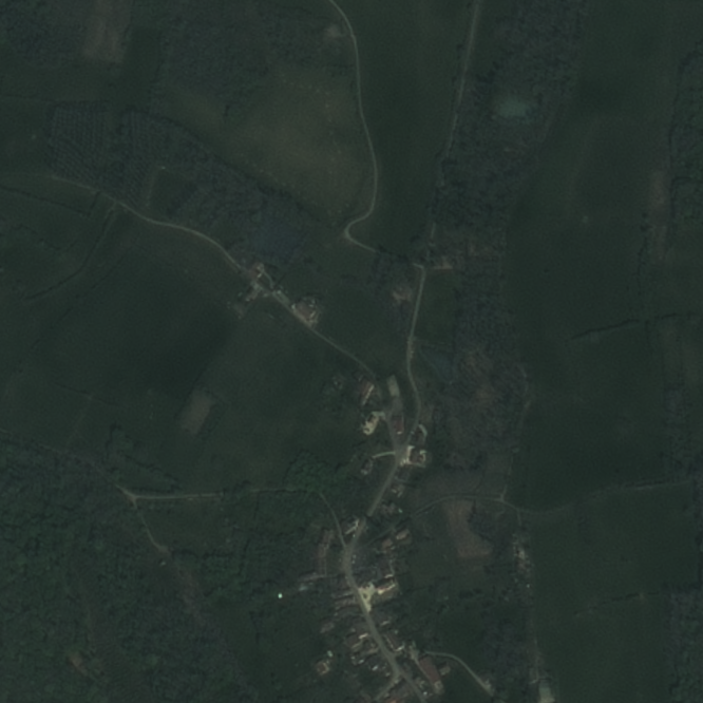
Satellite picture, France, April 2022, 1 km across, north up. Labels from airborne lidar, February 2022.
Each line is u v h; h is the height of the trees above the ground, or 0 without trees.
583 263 0
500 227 11
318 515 10
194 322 0
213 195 10
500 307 28
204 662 30
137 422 0
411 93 0
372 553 0
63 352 0
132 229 0
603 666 0
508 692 16
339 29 0
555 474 0
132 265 0
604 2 0
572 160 0
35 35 27
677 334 0
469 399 32
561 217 0
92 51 0
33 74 0
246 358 0
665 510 0
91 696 31
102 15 0
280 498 8
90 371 0
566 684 0
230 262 0
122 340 0
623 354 0
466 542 0
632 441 0
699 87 12
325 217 0
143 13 8
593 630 0
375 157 0
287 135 0
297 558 7
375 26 0
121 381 0
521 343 0
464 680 0
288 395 0
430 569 0
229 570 19
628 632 0
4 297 0
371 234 0
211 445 0
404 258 0
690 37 0
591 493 0
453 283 0
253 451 0
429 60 0
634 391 0
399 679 0
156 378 0
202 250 0
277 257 13
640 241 0
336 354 0
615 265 0
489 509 0
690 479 13
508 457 0
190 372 0
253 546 15
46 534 23
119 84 0
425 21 0
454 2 0
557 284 0
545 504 0
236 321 0
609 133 0
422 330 0
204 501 0
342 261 0
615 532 0
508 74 17
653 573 0
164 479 7
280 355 0
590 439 0
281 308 0
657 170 0
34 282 0
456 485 0
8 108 0
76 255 0
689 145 24
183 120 0
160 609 28
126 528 0
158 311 0
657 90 0
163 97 15
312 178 0
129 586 33
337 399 0
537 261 0
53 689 29
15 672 30
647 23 0
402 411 0
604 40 0
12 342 0
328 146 0
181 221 29
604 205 0
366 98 0
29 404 0
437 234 0
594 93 0
